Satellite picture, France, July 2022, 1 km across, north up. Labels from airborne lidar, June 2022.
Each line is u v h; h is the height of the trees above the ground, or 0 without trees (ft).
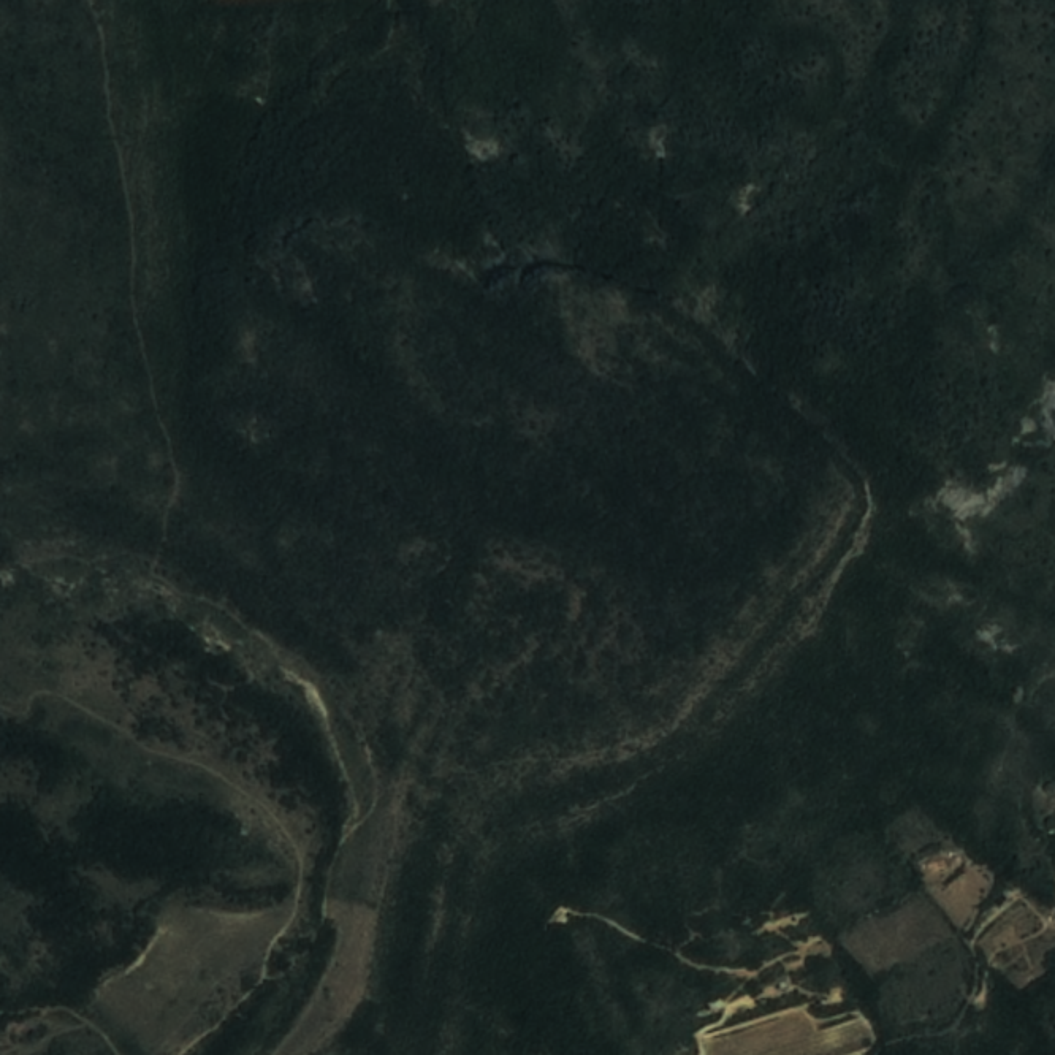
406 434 18
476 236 24
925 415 22
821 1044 0
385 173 20
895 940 0
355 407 19
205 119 27
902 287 29
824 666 21
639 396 17
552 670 19
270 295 19
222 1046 18
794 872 20
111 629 24
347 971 0
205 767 0
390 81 21
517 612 19
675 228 25
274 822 0
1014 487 0
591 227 24
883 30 41
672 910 19
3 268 0
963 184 34
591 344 0
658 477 22
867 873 0
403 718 0
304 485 24
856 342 20
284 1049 0
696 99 18
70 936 21
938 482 23
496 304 20
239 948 0
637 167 27
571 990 28
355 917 0
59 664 0
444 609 19
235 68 20
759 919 23
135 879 19
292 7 29
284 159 36
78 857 19
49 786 19
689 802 26
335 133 23
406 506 21
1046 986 28
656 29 20
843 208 23
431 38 35
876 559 18
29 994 25
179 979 0
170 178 29
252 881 0
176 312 17
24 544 0
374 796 0
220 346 25
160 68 21
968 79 29
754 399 26
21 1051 0
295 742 17
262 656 0
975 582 22
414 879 19
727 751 29
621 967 20
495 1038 19
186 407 31
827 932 19
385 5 37
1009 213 0
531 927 25
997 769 0
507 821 18
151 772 0
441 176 26
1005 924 0
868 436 25
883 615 24
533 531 21
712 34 24
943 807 18
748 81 20
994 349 0
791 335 28
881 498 29
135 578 0
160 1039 0
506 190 19
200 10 23
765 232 35
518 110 37
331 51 24
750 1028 0
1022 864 40
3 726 24
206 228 32
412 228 30
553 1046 18
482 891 23
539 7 27
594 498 24
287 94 34
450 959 25
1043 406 0
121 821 24
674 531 21
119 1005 0
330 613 21
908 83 28
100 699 0
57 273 0
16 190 0
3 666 0
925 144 28
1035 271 0
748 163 42
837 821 26
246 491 26
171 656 21
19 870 26
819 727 22
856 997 21
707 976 18
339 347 31
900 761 20
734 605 18
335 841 21
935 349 32
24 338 0
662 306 17
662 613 18
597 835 26
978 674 24
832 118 24
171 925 0
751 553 24
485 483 20
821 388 21
